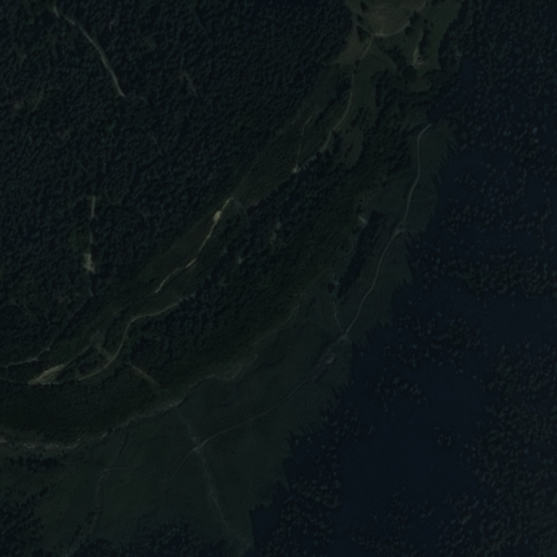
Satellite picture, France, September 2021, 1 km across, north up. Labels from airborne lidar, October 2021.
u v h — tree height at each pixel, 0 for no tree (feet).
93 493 0
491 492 50
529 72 76
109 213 39
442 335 91
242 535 0
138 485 0
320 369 0
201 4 94
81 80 108
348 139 0
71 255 99
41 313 36
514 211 70
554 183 41
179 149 76
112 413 52
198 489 0
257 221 49
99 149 107
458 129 47
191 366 43
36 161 107
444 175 0
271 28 96
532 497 38
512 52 110
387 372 68
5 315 53
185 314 109
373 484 40
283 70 73
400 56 29
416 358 72
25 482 0
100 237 115
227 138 73
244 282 54
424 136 0
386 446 53
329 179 81
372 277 0
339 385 0
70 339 63
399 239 0
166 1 91
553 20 84
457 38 55
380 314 0
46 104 34
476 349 57
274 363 0
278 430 0
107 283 84
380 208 0
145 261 47
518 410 47
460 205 83
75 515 0
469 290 29
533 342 53
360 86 0
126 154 99
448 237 46
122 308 43
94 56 23
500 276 95
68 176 118
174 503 0
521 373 37
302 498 45
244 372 0
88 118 93
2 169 81
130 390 60
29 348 53
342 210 36
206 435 0
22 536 40
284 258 42
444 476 42
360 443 26
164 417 0
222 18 88
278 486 0
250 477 0
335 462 44
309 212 30
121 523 0
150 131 22
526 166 55
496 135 98
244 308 50
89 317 64
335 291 24
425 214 0
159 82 53
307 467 48
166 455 0
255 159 67
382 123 58
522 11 84
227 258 50
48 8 28
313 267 31
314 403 0
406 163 39
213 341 45
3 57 108
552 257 54
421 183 0
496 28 69
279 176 18
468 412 42
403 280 0
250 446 0
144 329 42
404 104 35
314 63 57
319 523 50
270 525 42
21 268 74
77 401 57
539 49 33
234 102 81
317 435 39
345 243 31
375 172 38
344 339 0
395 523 34
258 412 0
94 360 47
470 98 48
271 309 42
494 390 48
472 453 86
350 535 42
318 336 0
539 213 69
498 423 43
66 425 69
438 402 42
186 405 0
